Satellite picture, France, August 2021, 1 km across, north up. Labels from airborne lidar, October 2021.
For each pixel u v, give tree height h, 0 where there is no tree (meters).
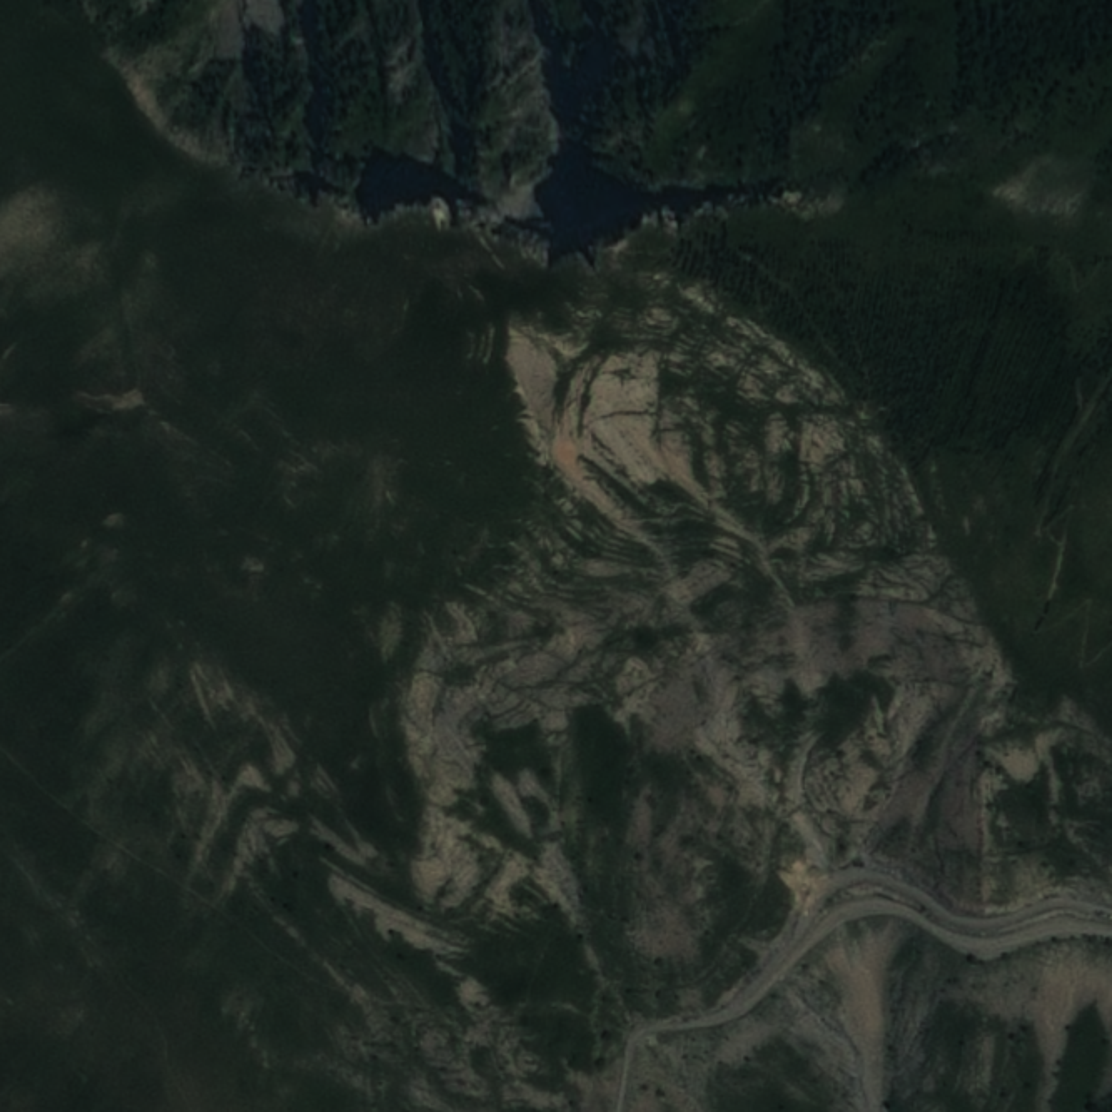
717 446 0
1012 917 0
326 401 0
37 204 0
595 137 9
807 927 0
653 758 0
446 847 0
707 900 0
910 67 8
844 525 0
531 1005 0
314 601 0
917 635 0
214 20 0
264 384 0
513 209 0
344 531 0
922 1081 0
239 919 0
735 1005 0
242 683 0
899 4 11
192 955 0
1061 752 0
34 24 0
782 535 0
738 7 0
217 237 0
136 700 0
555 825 0
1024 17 8
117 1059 0
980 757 6
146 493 0
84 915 0
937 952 0
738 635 0
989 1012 0
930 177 0
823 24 8
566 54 13
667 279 0
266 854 0
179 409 0
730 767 0
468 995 0
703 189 0
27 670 0
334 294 0
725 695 0
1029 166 0
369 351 0
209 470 0
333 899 0
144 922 0
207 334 0
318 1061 0
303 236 0
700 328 0
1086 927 0
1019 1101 0
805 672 0
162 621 0
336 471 0
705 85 0
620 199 0
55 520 0
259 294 0
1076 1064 0
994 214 0
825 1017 0
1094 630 0
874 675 0
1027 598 0
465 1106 0
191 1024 0
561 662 0
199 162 0
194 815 0
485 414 0
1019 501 0
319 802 0
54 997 0
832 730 0
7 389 0
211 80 6
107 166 0
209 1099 0
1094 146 0
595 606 0
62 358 0
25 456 0
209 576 0
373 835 0
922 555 0
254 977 0
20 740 0
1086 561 0
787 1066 0
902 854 0
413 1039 0
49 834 0
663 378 0
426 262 0
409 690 0
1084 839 0
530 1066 0
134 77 0
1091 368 6
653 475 0
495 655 0
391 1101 0
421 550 0
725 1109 0
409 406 0
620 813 0
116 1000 0
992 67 8
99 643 0
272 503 0
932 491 0
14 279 0
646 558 0
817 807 0
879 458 0
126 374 0
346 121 6
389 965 0
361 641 0
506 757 0
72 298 0
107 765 0
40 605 0
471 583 0
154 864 0
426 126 0
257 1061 0
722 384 0
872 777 0
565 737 0
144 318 0
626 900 0
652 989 0
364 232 0
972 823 0
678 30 10
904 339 6
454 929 0
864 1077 0
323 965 0
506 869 0
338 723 0
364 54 9
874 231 0
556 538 0
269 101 7
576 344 0
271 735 0
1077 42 8
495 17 9
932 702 0
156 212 0
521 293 0
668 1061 0
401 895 0
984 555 0
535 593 0
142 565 0
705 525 0
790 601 0
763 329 0
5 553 0
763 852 0
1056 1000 0
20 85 0
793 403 0
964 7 9
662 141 0
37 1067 0
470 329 0
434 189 0
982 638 0
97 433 0
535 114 0
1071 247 0
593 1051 0
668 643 0
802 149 0
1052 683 0
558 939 0
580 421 0
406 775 0
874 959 0
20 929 0
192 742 0
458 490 0
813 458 0
